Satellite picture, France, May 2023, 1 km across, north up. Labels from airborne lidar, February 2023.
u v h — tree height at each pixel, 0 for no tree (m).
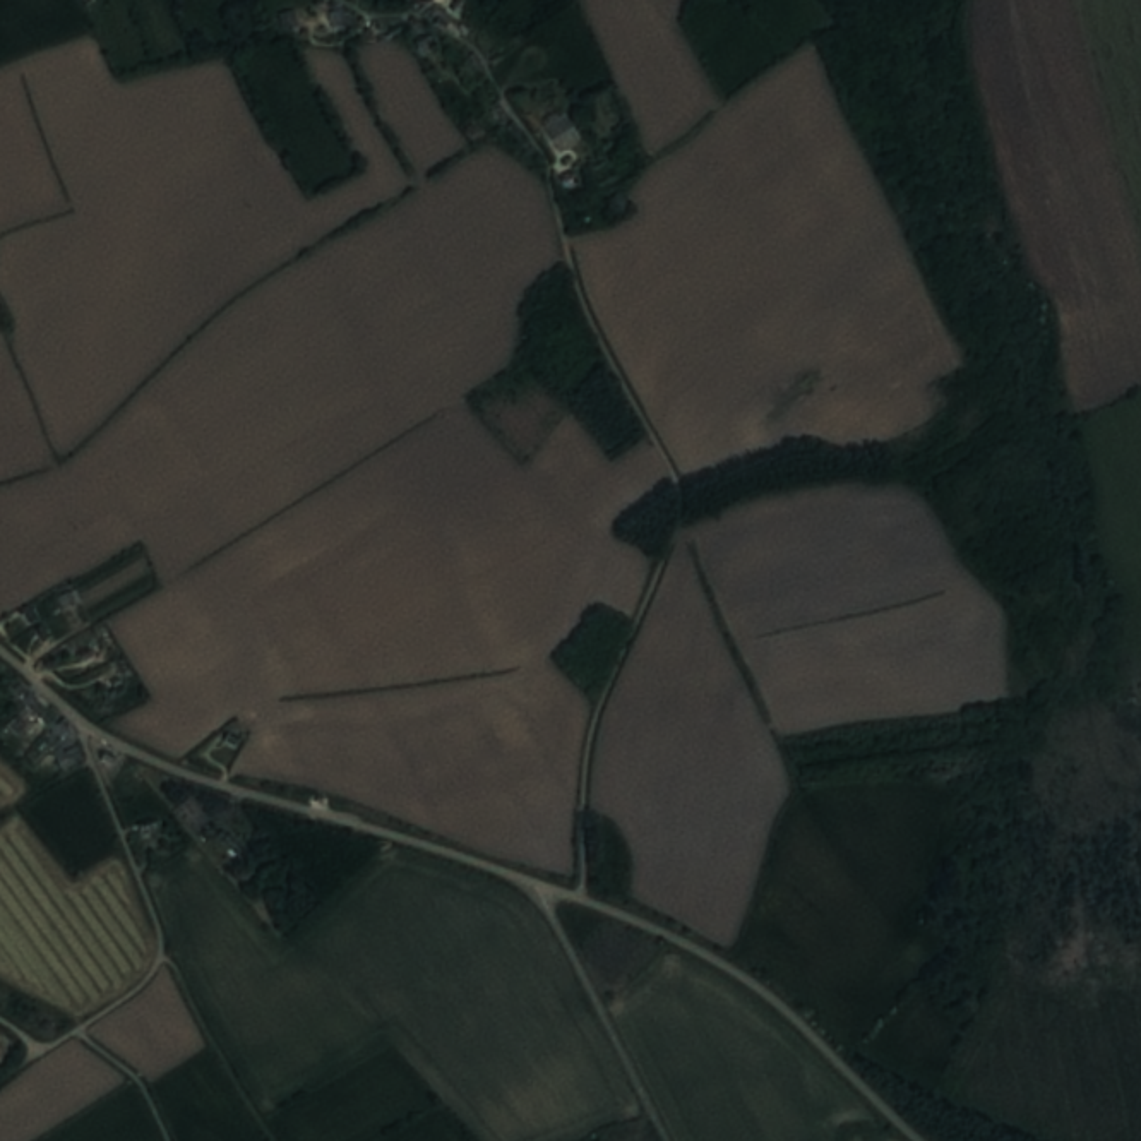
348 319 0
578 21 0
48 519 0
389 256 0
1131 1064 0
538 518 0
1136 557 0
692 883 0
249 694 0
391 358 0
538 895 0
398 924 0
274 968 0
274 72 0
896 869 0
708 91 0
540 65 0
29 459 0
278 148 0
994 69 0
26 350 0
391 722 0
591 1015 0
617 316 0
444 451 0
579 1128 0
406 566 0
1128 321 0
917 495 0
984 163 7
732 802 0
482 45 0
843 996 0
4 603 0
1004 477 7
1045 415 8
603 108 0
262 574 0
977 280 7
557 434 0
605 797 0
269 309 0
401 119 0
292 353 0
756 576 0
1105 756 0
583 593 0
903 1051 0
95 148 0
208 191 0
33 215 0
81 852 0
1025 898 6
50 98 0
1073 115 0
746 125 0
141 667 0
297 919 17
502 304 0
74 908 0
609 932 0
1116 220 0
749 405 0
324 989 0
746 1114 0
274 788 7
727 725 0
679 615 0
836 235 0
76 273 0
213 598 0
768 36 0
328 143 0
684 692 0
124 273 0
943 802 0
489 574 0
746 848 0
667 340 0
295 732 0
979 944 10
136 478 0
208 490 0
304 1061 0
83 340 0
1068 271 0
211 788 7
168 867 0
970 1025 11
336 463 0
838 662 0
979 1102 0
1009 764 7
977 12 0
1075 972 0
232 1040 0
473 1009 0
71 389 0
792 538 0
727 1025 0
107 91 0
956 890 28
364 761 0
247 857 21
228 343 0
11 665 0
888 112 11
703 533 0
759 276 0
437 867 0
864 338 0
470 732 0
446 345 0
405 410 0
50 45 0
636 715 0
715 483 22
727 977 0
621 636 15
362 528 0
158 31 0
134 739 0
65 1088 0
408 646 0
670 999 0
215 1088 0
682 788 0
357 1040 0
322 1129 0
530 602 0
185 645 0
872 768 6
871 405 0
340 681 0
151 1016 0
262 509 0
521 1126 0
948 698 0
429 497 0
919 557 0
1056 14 0
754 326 0
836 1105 0
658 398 0
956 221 11
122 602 0
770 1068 0
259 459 0
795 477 21
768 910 0
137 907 0
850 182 0
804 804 0
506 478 0
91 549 0
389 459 0
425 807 0
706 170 0
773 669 0
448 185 0
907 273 0
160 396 0
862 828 0
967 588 0
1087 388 0
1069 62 0
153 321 0
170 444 0
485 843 0
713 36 0
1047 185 0
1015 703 7
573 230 8
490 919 0
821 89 0
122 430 0
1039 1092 0
